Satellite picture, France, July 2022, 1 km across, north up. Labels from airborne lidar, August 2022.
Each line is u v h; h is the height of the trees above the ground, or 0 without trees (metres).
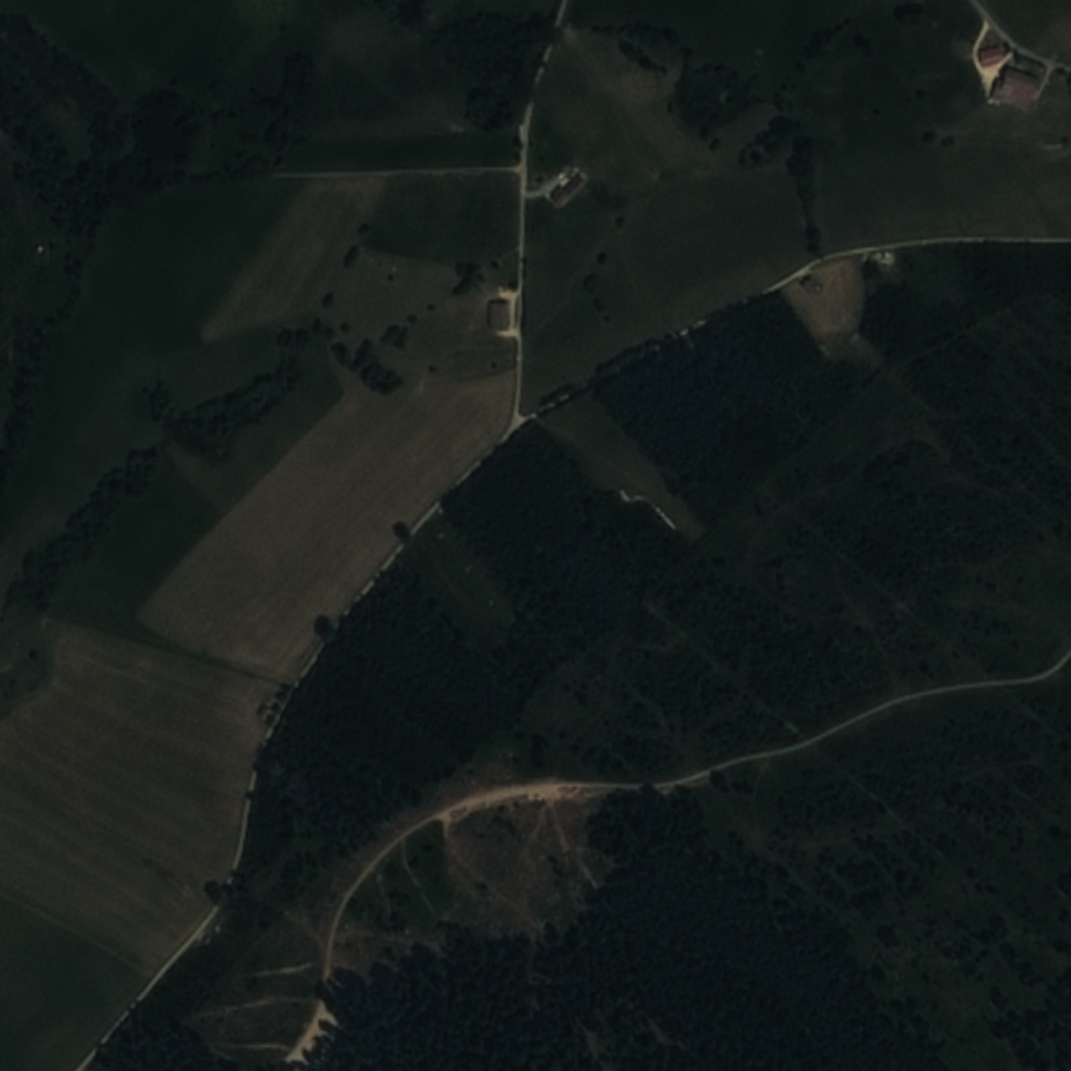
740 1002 17
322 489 0
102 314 0
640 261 0
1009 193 0
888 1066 16
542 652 9
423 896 0
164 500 0
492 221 0
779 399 17
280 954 0
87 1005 0
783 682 7
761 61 0
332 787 9
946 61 0
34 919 0
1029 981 14
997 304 6
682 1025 13
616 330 0
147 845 0
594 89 0
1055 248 6
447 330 0
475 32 10
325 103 0
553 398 8
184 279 0
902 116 0
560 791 0
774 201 0
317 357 0
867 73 0
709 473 13
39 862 0
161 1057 28
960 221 0
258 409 6
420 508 0
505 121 16
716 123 7
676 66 0
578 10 0
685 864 19
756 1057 15
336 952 0
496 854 0
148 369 0
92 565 0
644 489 0
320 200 0
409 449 0
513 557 11
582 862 0
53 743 0
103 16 0
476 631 0
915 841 7
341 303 0
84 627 0
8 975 0
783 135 22
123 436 0
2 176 0
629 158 0
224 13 0
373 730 13
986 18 0
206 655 0
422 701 15
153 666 0
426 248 0
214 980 8
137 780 0
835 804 6
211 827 0
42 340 18
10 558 0
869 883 7
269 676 0
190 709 0
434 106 0
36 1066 0
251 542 0
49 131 7
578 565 23
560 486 12
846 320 0
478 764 0
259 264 0
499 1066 24
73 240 11
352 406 0
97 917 0
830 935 14
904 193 0
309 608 0
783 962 17
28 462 0
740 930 15
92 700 0
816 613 0
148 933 0
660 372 18
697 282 0
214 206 0
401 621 10
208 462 0
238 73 0
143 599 0
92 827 0
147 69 0
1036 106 0
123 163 22
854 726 0
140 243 0
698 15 0
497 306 0
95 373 0
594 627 21
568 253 0
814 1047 13
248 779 0
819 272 0
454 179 0
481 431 0
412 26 25
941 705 0
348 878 0
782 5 0
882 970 16
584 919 12
